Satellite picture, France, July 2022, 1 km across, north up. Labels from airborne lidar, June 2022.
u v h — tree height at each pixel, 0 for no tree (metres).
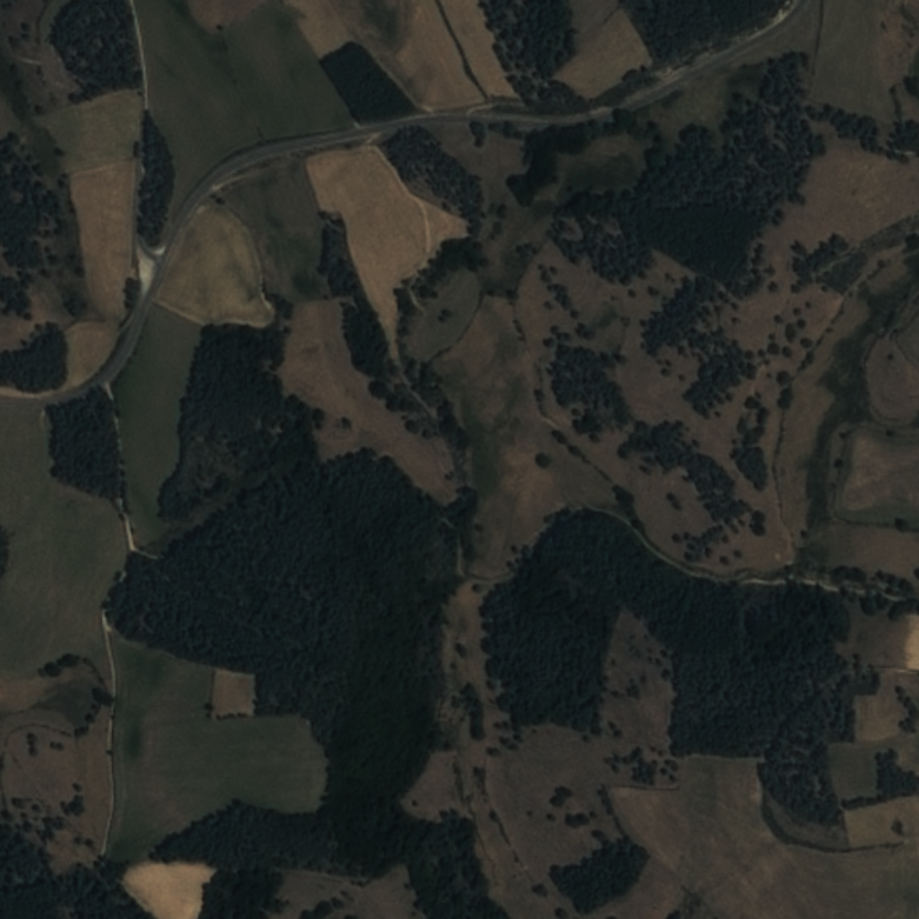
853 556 0
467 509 11
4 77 0
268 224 0
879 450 0
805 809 18
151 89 0
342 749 11
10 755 0
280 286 0
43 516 0
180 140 0
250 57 0
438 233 0
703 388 17
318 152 0
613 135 11
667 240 20
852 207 0
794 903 0
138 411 0
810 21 0
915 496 0
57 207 13
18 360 17
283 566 21
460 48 0
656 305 0
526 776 0
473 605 0
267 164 0
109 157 0
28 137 0
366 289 0
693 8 16
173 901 0
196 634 24
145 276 0
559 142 19
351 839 13
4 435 0
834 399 0
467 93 0
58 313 0
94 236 0
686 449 11
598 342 0
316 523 20
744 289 12
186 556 23
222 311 0
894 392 0
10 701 0
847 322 0
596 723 11
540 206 0
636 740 0
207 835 19
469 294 0
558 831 0
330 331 0
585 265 0
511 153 0
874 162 0
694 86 0
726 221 19
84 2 12
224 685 0
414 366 15
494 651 16
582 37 0
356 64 20
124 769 0
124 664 0
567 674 17
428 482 0
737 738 21
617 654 0
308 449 14
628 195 12
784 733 17
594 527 22
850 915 0
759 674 19
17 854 19
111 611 14
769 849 0
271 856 15
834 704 10
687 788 0
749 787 0
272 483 10
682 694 17
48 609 0
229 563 12
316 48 0
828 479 0
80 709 0
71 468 18
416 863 18
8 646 0
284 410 15
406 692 15
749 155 17
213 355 22
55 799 0
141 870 0
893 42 0
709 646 24
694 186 17
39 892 24
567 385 17
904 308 0
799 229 0
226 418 15
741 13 17
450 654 0
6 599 0
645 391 0
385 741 11
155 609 20
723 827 0
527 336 0
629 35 0
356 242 0
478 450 0
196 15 0
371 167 0
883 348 0
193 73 0
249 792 0
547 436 0
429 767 0
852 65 0
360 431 0
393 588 20
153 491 0
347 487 18
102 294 0
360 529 15
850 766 0
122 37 19
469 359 0
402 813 10
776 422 0
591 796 0
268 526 13
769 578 0
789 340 10
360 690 11
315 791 0
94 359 0
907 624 0
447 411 12
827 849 0
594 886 16
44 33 0
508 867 0
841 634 17
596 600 7
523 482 0
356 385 0
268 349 20
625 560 20
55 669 11
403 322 9
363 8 0
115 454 14
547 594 11
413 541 19
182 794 0
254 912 9
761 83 0
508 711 12
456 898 16
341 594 20
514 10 14
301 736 0
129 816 0
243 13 0
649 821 0
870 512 0
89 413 15
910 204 0
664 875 0
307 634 18
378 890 0
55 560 0
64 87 0
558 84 13
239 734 0
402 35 0
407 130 10
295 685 11
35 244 13
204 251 0
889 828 0
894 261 0
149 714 0
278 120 0
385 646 16
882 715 0
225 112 0
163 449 0
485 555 0
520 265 0
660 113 0
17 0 11
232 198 0
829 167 0
